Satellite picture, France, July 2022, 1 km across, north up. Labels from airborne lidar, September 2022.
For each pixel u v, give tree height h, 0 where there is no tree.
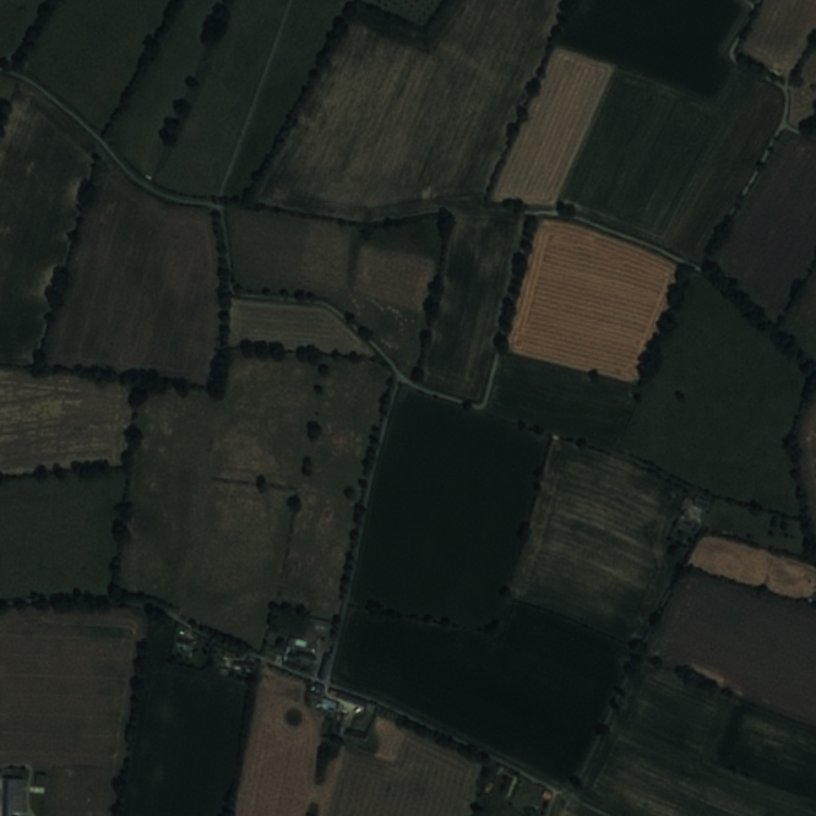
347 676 0
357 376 0
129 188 0
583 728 0
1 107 13
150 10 0
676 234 0
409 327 0
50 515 0
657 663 13
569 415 0
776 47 0
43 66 0
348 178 0
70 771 0
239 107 0
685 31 0
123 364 0
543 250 0
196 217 0
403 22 11
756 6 8
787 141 0
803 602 6
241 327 0
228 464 0
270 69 0
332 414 0
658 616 14
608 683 0
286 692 0
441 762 0
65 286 16
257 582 0
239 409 0
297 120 12
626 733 0
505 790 9
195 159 0
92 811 0
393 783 0
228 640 16
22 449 0
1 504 0
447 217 19
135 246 0
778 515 7
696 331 0
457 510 0
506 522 0
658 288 0
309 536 0
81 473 21
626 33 0
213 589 0
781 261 0
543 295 0
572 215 12
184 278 0
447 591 0
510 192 0
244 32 0
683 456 0
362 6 7
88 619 0
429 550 0
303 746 0
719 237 16
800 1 0
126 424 0
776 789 0
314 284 0
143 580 0
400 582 0
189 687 0
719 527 0
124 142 0
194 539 0
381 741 0
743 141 0
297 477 0
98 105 0
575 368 0
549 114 0
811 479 0
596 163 0
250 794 0
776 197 0
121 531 19
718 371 0
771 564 0
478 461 0
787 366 0
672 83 0
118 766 0
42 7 11
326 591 0
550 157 0
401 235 0
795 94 0
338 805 0
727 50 0
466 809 0
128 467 11
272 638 0
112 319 0
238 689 0
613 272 0
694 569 8
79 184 0
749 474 0
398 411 0
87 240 0
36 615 0
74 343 0
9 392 0
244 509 0
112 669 0
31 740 0
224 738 0
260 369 0
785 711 0
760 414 0
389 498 0
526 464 0
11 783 0
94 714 0
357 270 0
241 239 0
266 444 0
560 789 0
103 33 0
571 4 16
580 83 0
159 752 0
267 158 8
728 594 0
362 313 0
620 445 0
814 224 0
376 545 0
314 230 0
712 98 0
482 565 0
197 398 0
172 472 0
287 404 0
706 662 0
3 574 0
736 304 16
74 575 0
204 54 0
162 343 0
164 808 0
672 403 0
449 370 0
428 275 0
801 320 0
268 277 0
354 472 0
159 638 0
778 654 0
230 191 0
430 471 0
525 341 0
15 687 0
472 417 0
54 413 0
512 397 0
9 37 0
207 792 0
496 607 0
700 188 0
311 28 0
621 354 0
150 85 0
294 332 0
